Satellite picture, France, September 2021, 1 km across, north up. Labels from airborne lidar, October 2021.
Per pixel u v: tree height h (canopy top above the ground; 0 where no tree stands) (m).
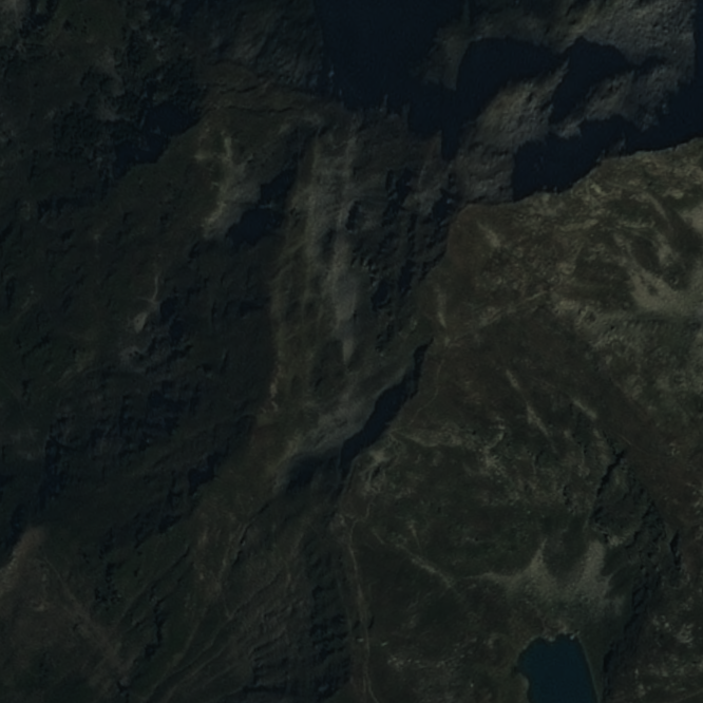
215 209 0
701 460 0
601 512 0
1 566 0
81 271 0
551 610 0
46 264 0
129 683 0
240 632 0
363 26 0
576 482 0
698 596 0
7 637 0
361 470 0
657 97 0
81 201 0
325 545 0
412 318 0
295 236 0
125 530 0
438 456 0
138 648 0
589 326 0
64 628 0
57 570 0
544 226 0
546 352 0
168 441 0
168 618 0
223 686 0
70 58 0
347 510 0
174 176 0
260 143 0
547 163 0
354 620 0
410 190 0
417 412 0
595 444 0
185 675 0
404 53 0
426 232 0
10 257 0
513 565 0
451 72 0
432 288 0
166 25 0
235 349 0
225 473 0
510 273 0
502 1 0
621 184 0
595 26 0
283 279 0
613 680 0
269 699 0
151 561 0
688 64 0
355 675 0
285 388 0
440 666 0
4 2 0
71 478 0
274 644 0
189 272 0
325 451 0
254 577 0
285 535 0
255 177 0
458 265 0
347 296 0
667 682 0
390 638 0
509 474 0
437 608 0
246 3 0
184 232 0
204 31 0
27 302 0
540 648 0
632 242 0
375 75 0
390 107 0
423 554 0
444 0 0
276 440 0
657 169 0
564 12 0
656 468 0
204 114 0
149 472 0
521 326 0
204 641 0
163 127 0
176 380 0
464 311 0
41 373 0
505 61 0
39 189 0
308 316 0
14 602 0
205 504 0
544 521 0
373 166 0
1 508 0
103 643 0
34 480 0
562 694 0
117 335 0
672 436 0
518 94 0
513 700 0
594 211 0
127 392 0
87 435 0
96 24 0
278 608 0
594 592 0
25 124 0
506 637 0
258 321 0
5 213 0
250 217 0
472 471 0
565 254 0
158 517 0
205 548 0
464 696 0
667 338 0
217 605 0
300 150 0
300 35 0
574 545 0
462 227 0
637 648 0
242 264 0
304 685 0
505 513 0
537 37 0
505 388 0
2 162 0
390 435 0
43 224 0
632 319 0
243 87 0
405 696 0
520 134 0
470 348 0
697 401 0
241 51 0
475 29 0
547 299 0
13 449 0
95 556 0
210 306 0
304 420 0
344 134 0
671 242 0
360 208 0
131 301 0
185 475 0
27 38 7
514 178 0
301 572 0
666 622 0
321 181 0
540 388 0
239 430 0
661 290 0
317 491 0
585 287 0
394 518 0
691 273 0
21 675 0
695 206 0
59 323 0
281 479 0
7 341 0
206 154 0
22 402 0
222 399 0
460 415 0
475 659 0
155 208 0
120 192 0
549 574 0
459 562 0
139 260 0
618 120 0
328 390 0
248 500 0
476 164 0
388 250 0
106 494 0
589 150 0
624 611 0
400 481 0
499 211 0
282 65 0
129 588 0
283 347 0
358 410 0
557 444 0
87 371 0
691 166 0
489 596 0
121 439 0
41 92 0
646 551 0
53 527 0
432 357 0
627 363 0
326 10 0
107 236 0
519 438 0
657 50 0
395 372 0
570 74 0
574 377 0
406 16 0
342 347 0
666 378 0
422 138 0
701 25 0
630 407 0
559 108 0
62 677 0
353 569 0
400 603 0
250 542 0
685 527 0
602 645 0
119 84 0
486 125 0
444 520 0
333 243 0
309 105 0
